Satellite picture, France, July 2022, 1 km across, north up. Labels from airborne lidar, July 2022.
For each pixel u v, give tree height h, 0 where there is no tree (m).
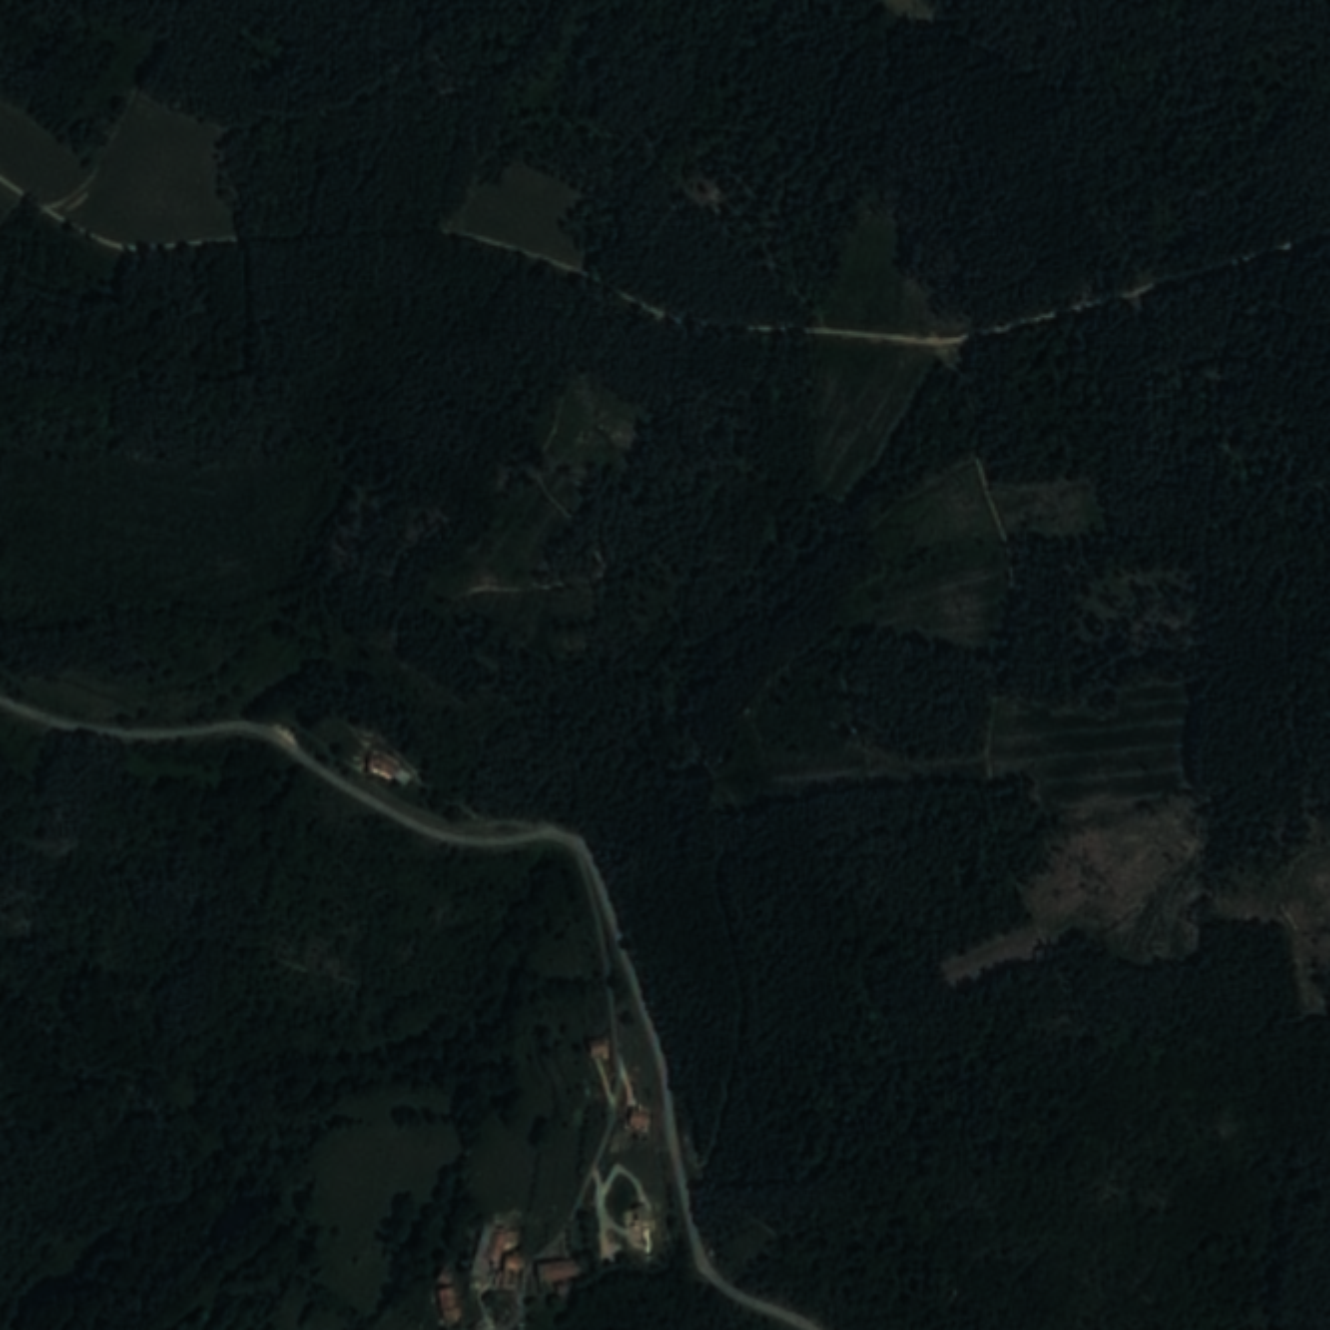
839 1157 14
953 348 0
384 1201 0
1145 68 13
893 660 22
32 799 14
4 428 13
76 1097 29
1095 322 16
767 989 15
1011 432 19
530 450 14
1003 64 30
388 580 15
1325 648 18
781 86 17
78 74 20
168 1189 33
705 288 19
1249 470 13
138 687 0
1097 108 29
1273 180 16
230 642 13
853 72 25
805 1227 14
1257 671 25
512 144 10
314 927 8
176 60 21
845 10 14
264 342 26
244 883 19
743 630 26
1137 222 19
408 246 19
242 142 11
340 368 17
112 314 22
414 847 7
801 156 21
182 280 17
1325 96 16
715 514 17
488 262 13
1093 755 0
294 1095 20
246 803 22
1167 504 21
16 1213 32
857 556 24
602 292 18
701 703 20
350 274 26
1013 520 0
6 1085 16
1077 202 25
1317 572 22
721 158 11
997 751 0
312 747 7
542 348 20
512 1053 9
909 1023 16
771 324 16
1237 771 18
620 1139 0
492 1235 0
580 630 14
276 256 22
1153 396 17
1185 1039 19
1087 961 18
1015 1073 15
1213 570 25
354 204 23
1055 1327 15
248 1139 16
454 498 16
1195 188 22
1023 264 21
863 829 15
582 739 17
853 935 6
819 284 17
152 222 0
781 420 15
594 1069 0
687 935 13
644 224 19
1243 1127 9
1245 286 17
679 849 17
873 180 22
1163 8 12
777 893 17
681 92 18
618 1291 12
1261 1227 16
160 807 16
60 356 23
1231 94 12
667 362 21
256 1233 26
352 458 20
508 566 0
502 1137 0
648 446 20
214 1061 16
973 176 20
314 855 15
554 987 16
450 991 14
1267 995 19
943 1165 16
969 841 16
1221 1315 15
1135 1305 16
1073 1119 14
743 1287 13
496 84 20
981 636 0
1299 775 22
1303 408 23
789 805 17
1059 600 25
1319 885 0
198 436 20
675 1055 14
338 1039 21
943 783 19
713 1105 16
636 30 17
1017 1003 16
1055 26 19
